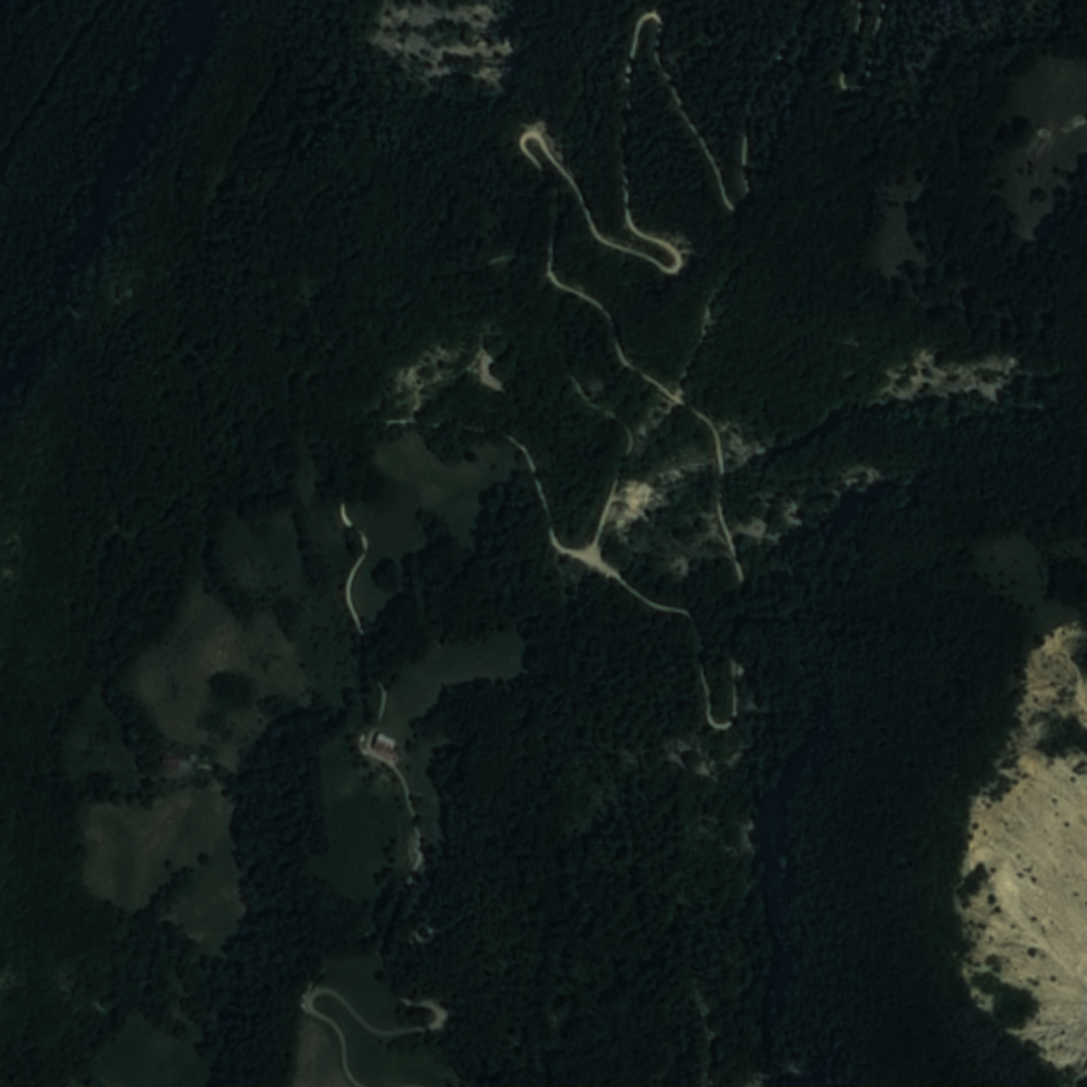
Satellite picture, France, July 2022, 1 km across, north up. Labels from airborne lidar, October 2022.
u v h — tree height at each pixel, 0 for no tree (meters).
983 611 13
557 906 15
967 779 13
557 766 13
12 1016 13
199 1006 9
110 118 29
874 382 11
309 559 12
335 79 13
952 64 21
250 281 24
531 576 20
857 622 23
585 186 16
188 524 22
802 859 12
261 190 14
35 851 17
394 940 19
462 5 6
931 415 21
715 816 10
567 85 19
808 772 17
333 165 19
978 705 17
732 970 16
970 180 22
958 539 17
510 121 16
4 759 22
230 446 19
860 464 15
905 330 16
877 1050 18
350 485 19
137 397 17
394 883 17
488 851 32
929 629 13
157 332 18
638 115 16
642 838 23
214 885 0
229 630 0
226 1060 23
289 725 25
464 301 16
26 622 16
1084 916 0
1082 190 14
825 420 13
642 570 7
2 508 8
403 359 13
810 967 15
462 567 14
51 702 16
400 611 24
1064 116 0
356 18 16
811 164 25
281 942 23
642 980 27
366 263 18
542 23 18
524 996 15
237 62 16
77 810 18
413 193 21
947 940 12
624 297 23
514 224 17
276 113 16
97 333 11
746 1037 28
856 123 10
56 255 24
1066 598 13
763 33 21
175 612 22
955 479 19
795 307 24
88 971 11
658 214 19
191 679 0
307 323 14
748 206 18
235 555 0
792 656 15
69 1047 11
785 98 31
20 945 15
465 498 0
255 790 19
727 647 11
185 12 19
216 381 18
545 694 23
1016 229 7
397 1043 8
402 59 6
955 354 12
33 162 22
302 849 18
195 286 18
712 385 18
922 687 20
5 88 28
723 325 12
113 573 22
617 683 12
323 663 0
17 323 25
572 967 28
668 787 8
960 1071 25
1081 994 0
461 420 9
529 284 16
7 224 22
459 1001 27
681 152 21
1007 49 22
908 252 0
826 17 21
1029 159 0
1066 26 9
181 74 20
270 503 21
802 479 16
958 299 6
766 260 16
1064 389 21
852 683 17
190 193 13
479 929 22
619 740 18
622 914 21
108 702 12
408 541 0
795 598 14
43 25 20
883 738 19
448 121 21
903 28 12
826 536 9
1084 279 21
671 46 12
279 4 14
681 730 14
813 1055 19
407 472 0
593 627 24
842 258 22
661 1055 15
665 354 18
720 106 17
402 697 0
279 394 19
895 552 13
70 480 18
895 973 16
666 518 8
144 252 11
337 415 15
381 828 0
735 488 14
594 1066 27
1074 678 0
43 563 16
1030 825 0
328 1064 0
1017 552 0
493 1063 26
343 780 0
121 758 0
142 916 15
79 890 16
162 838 0
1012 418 12
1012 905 0
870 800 23
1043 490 20
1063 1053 0
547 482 7
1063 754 7
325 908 24
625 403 13
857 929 20
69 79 26
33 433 10
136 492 19
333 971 0
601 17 18
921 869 19
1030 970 0
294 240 21
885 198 13
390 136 22
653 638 19
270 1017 27
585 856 15
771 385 20
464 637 14
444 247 17
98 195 25
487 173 20
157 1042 0
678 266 0
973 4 29
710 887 7
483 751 29
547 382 19
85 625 14
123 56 24
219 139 14
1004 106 19
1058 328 22
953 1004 17
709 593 18
